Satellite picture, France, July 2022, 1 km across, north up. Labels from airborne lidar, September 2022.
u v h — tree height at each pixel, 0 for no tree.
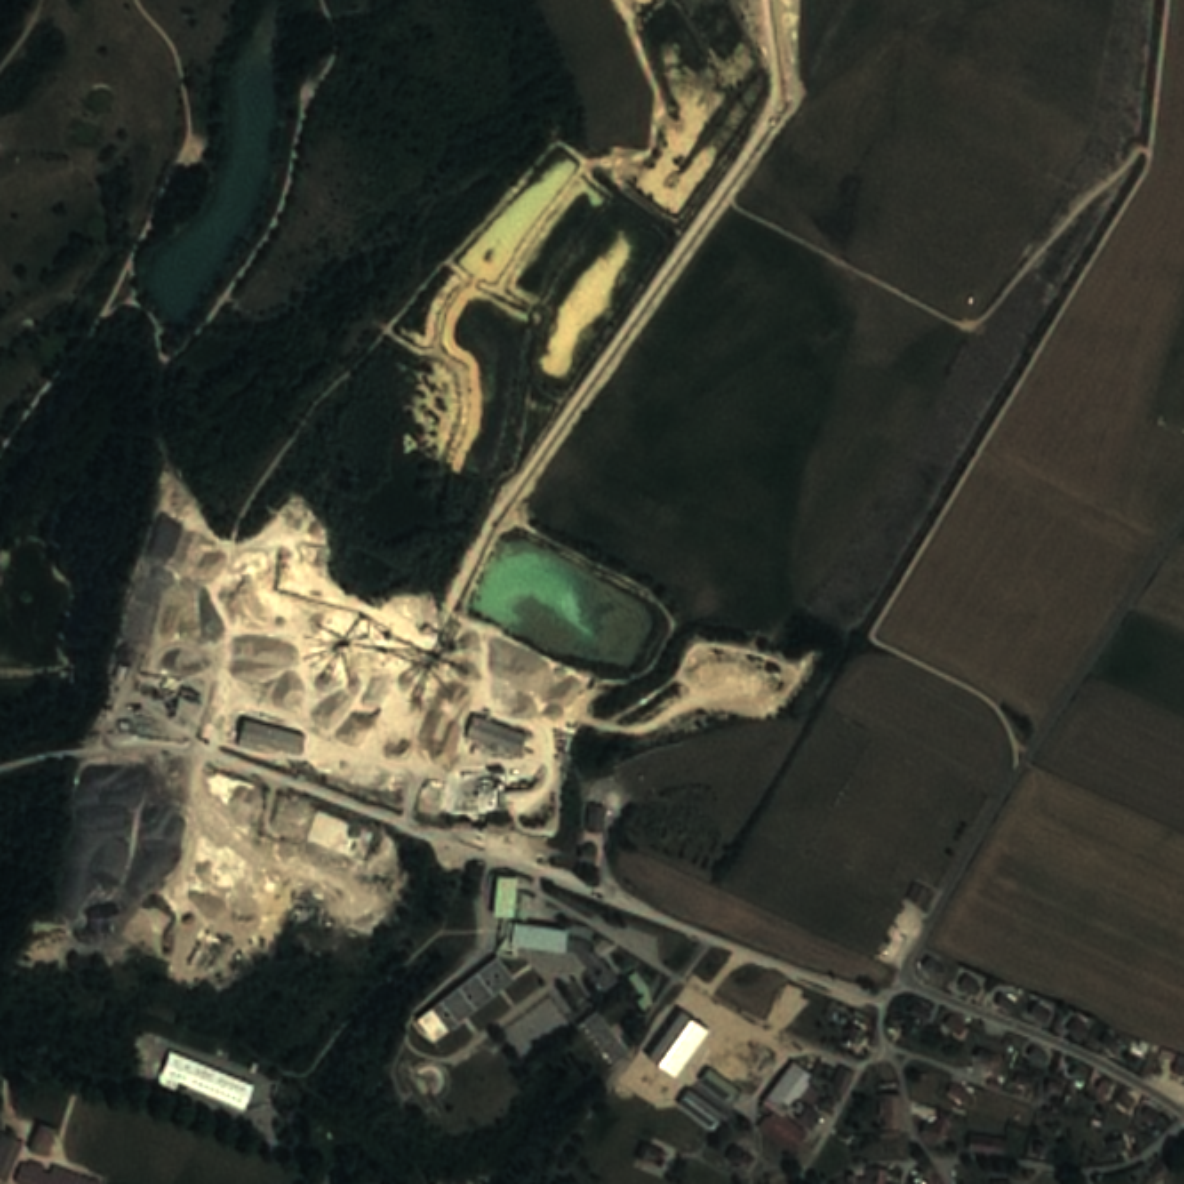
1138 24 0
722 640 6
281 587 0
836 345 0
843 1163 0
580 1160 9
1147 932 0
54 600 0
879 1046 0
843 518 0
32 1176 0
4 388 0
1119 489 0
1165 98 0
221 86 9
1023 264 0
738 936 0
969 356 0
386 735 0
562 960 0
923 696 0
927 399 0
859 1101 9
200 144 0
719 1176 0
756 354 0
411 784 0
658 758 0
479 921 0
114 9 0
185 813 0
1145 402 0
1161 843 0
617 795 0
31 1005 10
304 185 0
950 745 0
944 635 0
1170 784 0
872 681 0
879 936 0
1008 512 0
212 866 0
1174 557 0
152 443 5
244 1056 0
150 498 7
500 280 0
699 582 0
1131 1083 0
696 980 0
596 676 7
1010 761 0
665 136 0
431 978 11
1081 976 0
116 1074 6
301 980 7
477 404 0
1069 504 0
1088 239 0
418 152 7
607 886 0
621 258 0
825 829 0
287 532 0
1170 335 0
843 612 0
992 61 0
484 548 0
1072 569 0
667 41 0
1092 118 0
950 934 0
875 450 0
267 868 0
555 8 0
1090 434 0
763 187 0
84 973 8
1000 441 0
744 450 0
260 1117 0
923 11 0
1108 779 0
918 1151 16
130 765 0
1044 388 0
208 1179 0
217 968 0
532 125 9
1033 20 0
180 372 16
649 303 0
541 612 0
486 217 6
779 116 0
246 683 0
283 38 9
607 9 0
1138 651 0
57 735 8
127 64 0
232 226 0
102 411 9
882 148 0
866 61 0
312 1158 24
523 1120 5
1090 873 0
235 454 10
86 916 0
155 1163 0
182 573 0
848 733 0
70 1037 13
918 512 0
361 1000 17
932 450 0
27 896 13
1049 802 0
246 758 0
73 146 0
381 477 12
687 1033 0
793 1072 0
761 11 0
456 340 0
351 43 10
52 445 8
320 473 12
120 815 0
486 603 0
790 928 0
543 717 0
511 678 0
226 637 0
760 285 0
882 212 0
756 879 0
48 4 0
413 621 0
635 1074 0
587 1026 0
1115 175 0
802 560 0
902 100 0
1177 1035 0
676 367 0
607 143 0
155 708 0
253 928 0
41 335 6
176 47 0
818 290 0
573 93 12
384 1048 6
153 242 11
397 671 0
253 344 8
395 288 7
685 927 0
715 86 0
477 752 0
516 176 7
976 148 0
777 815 0
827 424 0
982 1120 0
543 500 0
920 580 0
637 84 0
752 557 0
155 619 0
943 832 0
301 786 0
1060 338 0
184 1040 0
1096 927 0
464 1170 10
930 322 0
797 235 0
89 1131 0
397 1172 6
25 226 0
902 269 0
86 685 22
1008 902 0
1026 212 0
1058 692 0
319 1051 10
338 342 10
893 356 0
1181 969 0
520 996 0
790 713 8
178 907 0
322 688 0
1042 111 0
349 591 9
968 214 0
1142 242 0
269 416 8
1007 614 0
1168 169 0
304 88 0
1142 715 0
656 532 0
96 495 6
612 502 0
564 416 0
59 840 11
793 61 0
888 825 0
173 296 0
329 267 9
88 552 28
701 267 0
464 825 0
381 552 17
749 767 0
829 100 0
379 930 8
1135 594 0
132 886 0
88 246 12
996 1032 0
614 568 13
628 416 0
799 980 0
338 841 0
